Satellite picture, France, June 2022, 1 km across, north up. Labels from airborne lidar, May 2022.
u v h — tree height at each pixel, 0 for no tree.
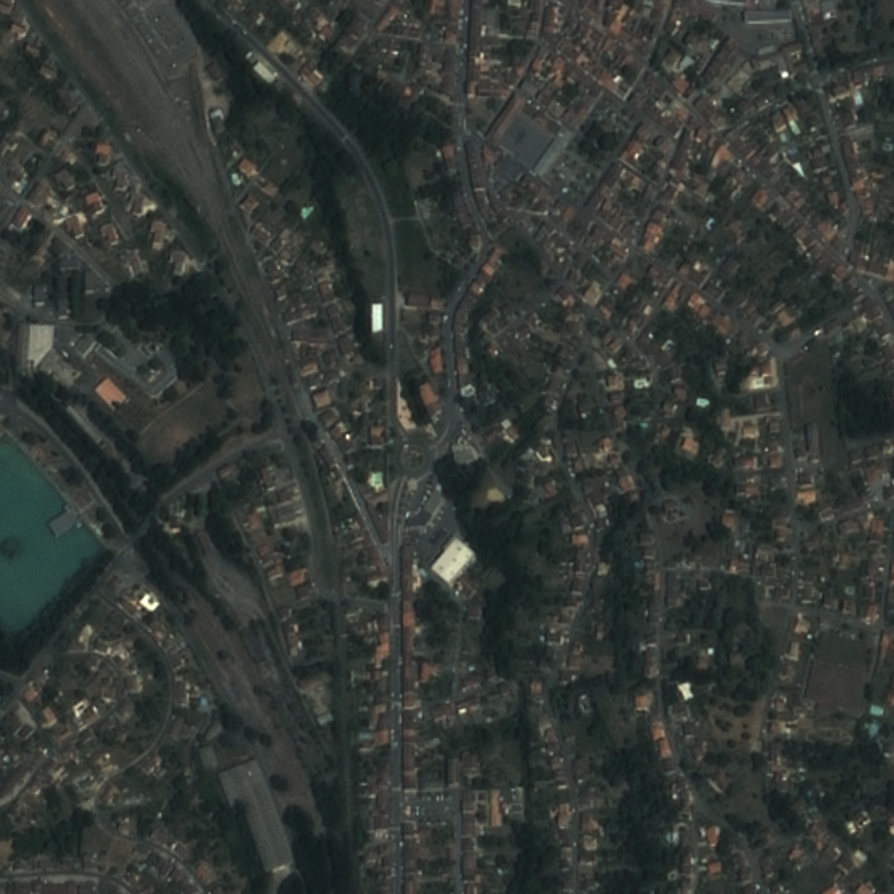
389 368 0
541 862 18
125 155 0
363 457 16
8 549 11
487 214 0
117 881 0
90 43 0
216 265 9
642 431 18
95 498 0
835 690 0
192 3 19
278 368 0
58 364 0
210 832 6
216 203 0
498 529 10
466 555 0
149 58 0
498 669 13
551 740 0
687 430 0
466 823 0
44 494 0
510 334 0
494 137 0
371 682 7
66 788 7
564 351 0
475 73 0
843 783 9
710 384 8
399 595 0
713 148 0
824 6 0
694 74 6
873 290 0
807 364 0
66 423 12
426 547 0
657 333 9
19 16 0
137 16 0
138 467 17
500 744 0
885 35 0
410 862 0
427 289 0
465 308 0
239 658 0
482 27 0
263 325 0
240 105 15
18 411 0
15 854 7
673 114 0
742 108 0
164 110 0
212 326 21
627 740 9
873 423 8
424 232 0
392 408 0
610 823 12
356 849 7
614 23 0
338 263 7
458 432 0
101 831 0
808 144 0
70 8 0
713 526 13
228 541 17
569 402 6
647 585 5
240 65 13
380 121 8
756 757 15
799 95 13
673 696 6
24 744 8
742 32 0
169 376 0
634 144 0
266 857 0
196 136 0
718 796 10
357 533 0
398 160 11
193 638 0
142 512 9
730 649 10
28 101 0
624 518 8
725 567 0
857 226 0
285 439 0
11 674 15
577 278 0
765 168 0
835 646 0
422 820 6
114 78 0
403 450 0
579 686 12
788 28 0
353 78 15
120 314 16
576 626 0
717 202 6
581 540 0
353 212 0
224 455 0
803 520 6
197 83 0
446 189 9
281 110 12
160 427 0
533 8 0
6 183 0
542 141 0
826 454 0
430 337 0
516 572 16
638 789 7
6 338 0
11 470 0
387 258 0
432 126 8
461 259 0
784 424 0
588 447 0
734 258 7
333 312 0
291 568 15
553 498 5
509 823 9
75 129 0
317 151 22
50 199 0
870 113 13
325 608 13
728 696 11
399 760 0
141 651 9
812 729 0
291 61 21
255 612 0
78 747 8
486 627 9
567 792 0
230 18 0
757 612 13
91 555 0
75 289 11
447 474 27
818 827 0
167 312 25
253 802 0
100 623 0
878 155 6
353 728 8
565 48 0
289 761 0
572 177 0
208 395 0
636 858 7
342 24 11
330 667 10
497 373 6
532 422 6
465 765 0
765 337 0
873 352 8
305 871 20
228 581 0
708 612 7
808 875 0
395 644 0
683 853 8
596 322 8
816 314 10
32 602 0
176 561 13
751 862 0
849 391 16
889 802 12
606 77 0
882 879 6
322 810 20
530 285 0
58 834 8
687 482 12
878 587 6
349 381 0
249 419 0
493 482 0
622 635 7
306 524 0
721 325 0
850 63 14
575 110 0
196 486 0
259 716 0
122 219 0
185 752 0
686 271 0
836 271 0
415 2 13
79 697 8
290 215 8
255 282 0
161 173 7
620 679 10
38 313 0
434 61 6
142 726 8
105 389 0
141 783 0
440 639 7
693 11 0
